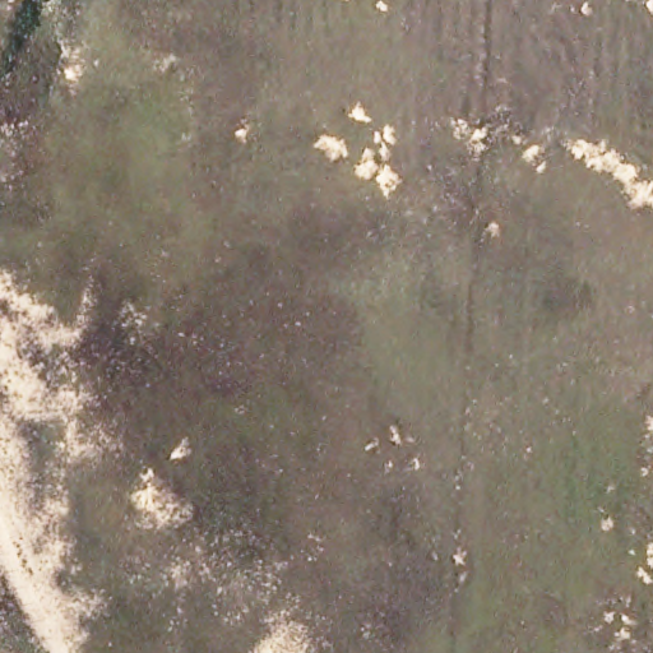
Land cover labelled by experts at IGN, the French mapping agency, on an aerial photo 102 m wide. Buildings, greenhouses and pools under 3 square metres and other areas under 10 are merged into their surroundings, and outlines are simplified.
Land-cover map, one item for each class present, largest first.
<instances>
[{"label":"herbaceous vegetation","instance_id":"1","mask_svg":"<svg viewBox=\"0 0 653 653\"><path fill-rule=\"evenodd\" d=\"M66 38L71 48L77 43L89 46V51L82 59H99L97 69L84 71L77 79V92H69V79L64 71L66 66L59 48V43ZM451 120H464L474 130L482 128L485 150H469L467 140L454 138ZM383 128H393L390 171L398 176L395 189L385 196L378 181L357 176V166L362 163L365 150H372V158L380 156V143H375L372 135ZM319 138L342 140L347 145V156L329 158V153L316 145ZM576 140H587L592 145L607 143V148L620 156L622 163L635 166V176L640 184L653 179V0H0V270L13 275L15 291L20 296H31L36 304L51 306L59 314L61 324L69 329L77 319L82 293H89L94 304L89 327L82 334V339L74 344L69 355L74 360L77 380L84 383V390L97 398L105 431L112 439H122L125 446L102 451L97 469H92L87 480H79L77 487L69 492V513L61 523V569L54 576L59 592L71 597L82 589L87 597H102L92 617H79V627L87 630V640L82 643L79 653H258L255 648L265 638H270L281 625L288 622H298L306 627V653H653V207L633 204L622 181L615 179V173L587 166L584 158H576L571 150ZM125 304H135L138 311L145 314L143 327L122 329L120 309ZM148 469H153L156 474V490H171L176 503L191 505L189 520L168 523L163 528H140V508L133 503V492L140 490V474ZM0 653H48L41 645L36 630L28 625V615L23 612V605L15 597V592L10 589L0 597Z\"/></svg>","mask_w":653,"mask_h":653},{"label":"bare soil","instance_id":"2","mask_svg":"<svg viewBox=\"0 0 653 653\"><path fill-rule=\"evenodd\" d=\"M59 48L66 66L64 71L69 79V92H77V79L84 71L97 69L99 59H82L89 51V46L77 43L71 48L66 38L59 43ZM454 138L467 140L469 150H485L482 128L474 130L464 120H451ZM375 143H380V156L372 158V150H365L362 163L357 166V176L378 181L385 196L395 189L398 176L390 171L393 128H383L372 135ZM316 145L329 153V158L347 156V145L342 140L319 138ZM576 158H584L587 166L615 173V179L622 181L633 204L653 207V179L640 184L635 176V166L622 163L620 156L607 148V143L592 145L587 140H576L571 150ZM94 304L89 293H82L77 319L69 329L82 334L89 327ZM122 329L143 327L145 314L138 311L135 304H125L120 309ZM74 344H54L43 349L33 332V324L26 327L23 337L15 339L18 360L31 362L33 372L46 385L41 393L38 411L23 418L15 429L28 446V490H33V497L28 500L26 515L38 518L43 525V531L33 541V554H43L48 543L61 541V523L69 513V492L77 487L79 480H87L92 469H97L102 451L125 446L122 439H112L105 431L97 398L84 390V383L77 380L74 360L69 355ZM133 503L140 508V528H163L168 523L189 520L191 505L176 503L171 490H156V474L153 469H148L140 474V490L133 492ZM306 627L298 622H288L281 625L270 638H265L255 648L258 653H306Z\"/></svg>","mask_w":653,"mask_h":653},{"label":"pervious surface","instance_id":"3","mask_svg":"<svg viewBox=\"0 0 653 653\"><path fill-rule=\"evenodd\" d=\"M33 324V332L43 349L54 344H74L82 339V334L69 329L61 324L59 314L51 306L36 304L31 296H20L15 291L13 275L0 270V597L10 589L15 592V597L23 605V612L28 615V625L36 630L41 645L48 653H79L82 643L87 640V630L79 627V617H92L102 597H87L82 589L71 597L59 592L54 576L61 569V541L48 543L43 554H33V541L43 531V525L38 518L26 515L28 500L33 497V490H28V446L15 429L23 418L38 411L41 393L46 385L33 372L31 362L18 360L15 339L23 337L26 327Z\"/></svg>","mask_w":653,"mask_h":653}]
</instances>
